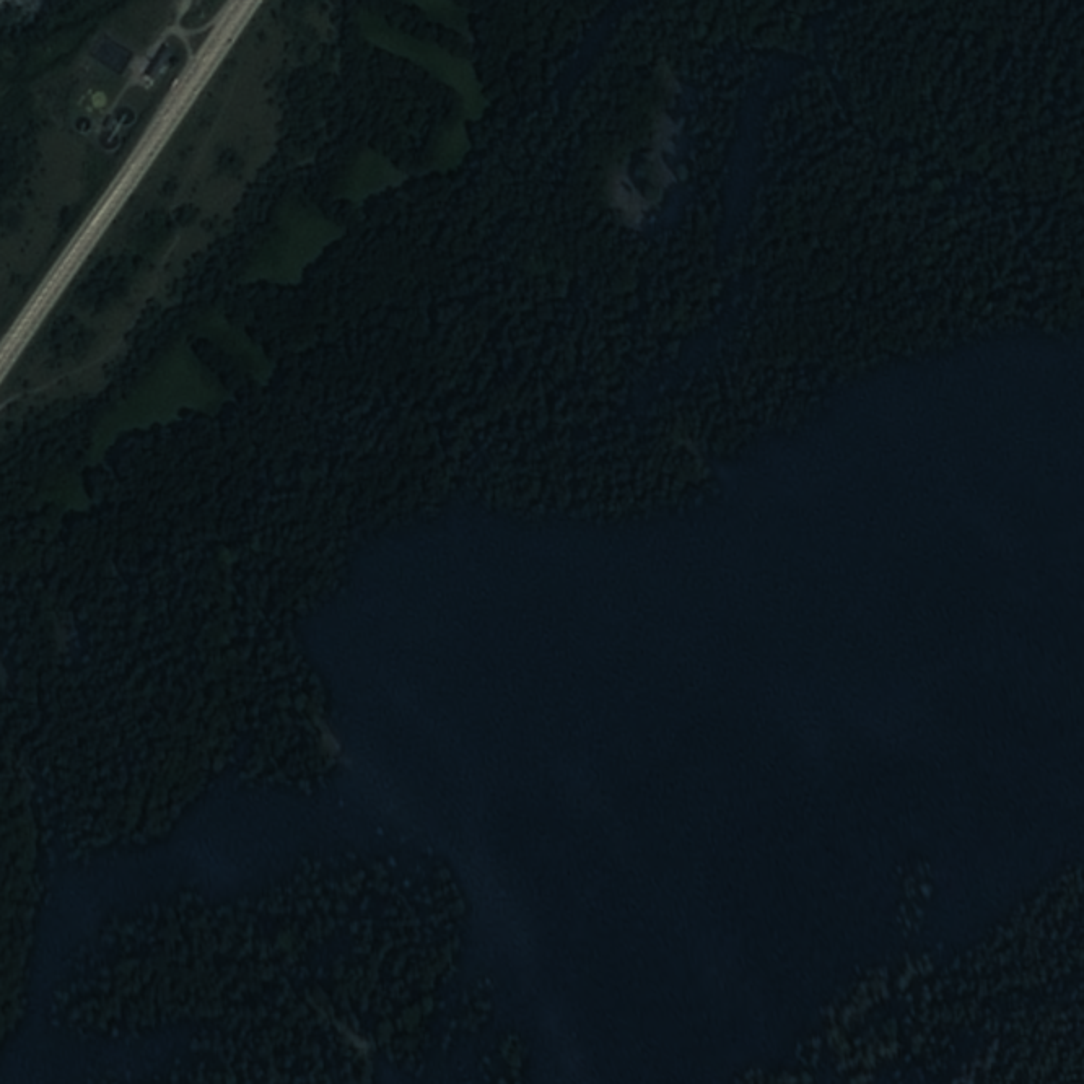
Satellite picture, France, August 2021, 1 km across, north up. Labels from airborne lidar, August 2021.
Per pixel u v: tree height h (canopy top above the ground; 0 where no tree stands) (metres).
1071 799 12
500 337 21
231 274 10
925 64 26
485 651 29
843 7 25
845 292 26
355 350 26
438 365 31
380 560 24
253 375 7
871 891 17
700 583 32
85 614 20
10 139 6
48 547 28
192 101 0
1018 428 24
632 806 24
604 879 27
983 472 32
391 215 19
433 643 19
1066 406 28
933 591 25
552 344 30
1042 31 30
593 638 27
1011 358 27
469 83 0
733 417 34
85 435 13
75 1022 27
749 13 25
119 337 0
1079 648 14
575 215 23
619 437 20
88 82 0
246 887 34
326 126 5
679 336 22
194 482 29
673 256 22
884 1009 12
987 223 26
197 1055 19
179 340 19
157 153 0
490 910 0
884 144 36
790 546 30
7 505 19
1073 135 25
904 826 34
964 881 9
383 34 0
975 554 17
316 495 26
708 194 29
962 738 15
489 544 25
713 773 30
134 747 31
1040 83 30
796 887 26
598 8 26
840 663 13
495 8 25
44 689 19
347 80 13
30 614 21
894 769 11
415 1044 20
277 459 27
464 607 24
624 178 0
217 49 0
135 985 29
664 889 33
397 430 34
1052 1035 19
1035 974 24
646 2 21
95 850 27
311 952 21
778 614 24
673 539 29
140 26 0
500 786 22
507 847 24
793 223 26
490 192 24
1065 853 12
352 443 33
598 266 22
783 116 16
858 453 27
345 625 25
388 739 22
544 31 18
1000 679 13
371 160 0
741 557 29
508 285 26
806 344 23
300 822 21
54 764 23
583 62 14
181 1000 27
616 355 23
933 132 16
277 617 25
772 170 20
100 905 8
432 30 21
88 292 13
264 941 14
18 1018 23
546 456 23
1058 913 21
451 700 24
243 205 7
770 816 24
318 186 23
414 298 26
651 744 9
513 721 32
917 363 26
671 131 0
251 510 27
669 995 30
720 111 24
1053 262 29
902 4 31
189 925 28
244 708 28
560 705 20
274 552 27
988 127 25
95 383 0
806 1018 17
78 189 0
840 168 30
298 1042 16
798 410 26
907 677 10
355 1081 30
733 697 24
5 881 20
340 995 32
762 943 18
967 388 31
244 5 0
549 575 25
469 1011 23
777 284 25
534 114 28
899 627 19
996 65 11
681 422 27
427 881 17
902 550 22
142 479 26
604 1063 24
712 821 34
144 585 24
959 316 30
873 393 27
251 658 18
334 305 20
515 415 23
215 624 32
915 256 30
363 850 11
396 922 33
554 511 26
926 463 23
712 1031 15
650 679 29
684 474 27
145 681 25
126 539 27
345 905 23
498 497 23
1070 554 9
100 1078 18
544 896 25
